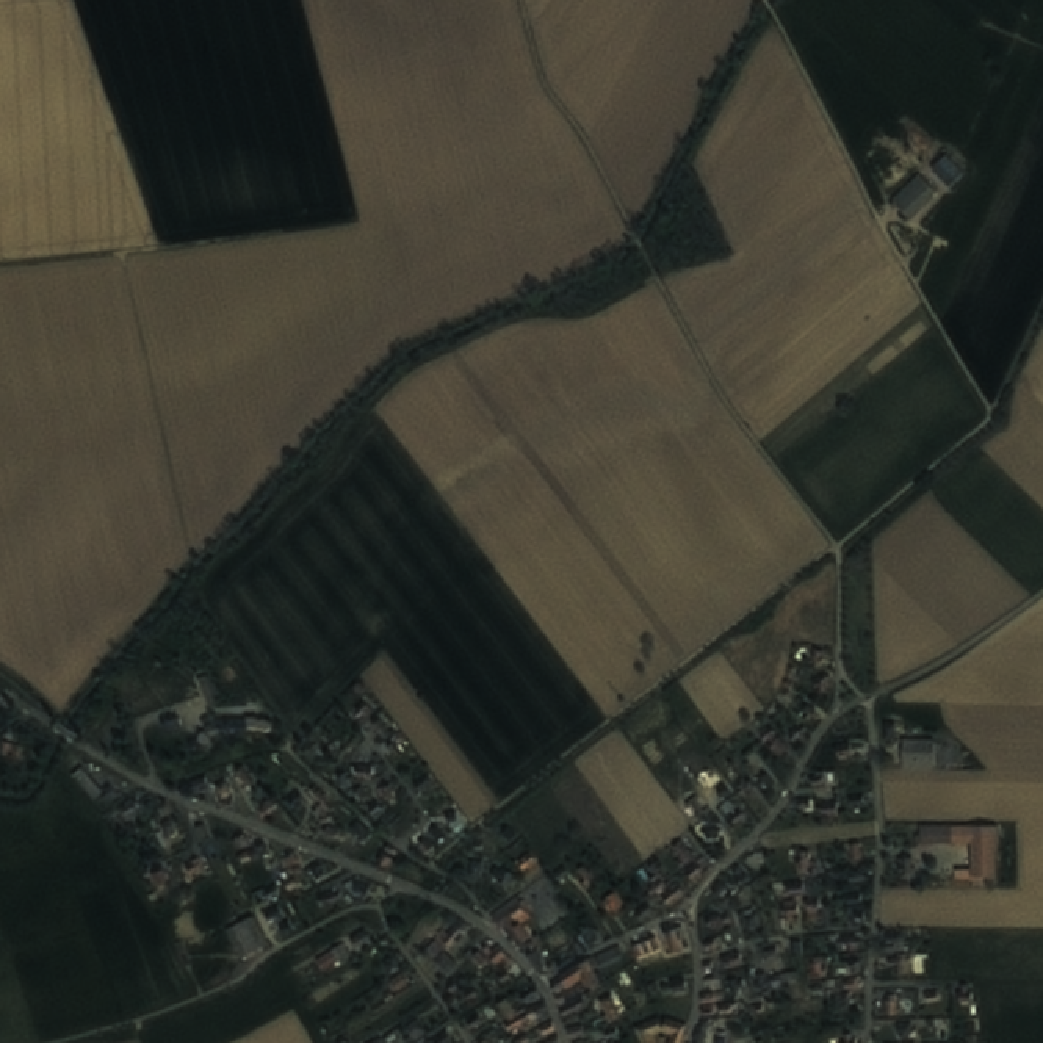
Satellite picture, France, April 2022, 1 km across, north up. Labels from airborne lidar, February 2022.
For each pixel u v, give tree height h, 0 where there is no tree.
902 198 0
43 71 0
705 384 0
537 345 0
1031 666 0
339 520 0
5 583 0
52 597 0
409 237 0
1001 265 0
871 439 0
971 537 0
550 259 0
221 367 0
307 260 0
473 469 0
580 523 0
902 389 0
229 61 0
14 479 0
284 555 0
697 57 0
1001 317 0
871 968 0
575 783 0
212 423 0
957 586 0
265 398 0
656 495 0
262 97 0
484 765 0
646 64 0
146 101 0
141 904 0
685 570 0
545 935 6
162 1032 0
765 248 0
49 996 0
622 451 0
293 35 0
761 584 0
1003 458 0
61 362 0
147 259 0
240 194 0
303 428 0
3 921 0
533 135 0
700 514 0
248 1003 0
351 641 0
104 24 0
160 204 0
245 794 0
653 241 17
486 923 0
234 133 0
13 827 0
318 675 0
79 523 0
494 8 0
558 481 0
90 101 0
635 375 0
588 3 0
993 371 0
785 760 11
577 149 0
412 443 0
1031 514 0
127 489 0
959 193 0
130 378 0
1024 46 0
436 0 0
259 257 0
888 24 0
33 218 0
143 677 0
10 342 0
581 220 0
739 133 0
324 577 0
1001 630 0
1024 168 0
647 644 13
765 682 0
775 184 0
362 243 0
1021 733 0
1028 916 0
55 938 0
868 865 8
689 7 0
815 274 0
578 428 0
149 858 11
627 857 0
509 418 0
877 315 0
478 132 0
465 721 0
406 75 0
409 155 0
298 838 0
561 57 0
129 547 0
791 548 0
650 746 0
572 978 0
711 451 0
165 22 0
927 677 0
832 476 0
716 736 9
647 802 0
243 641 0
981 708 0
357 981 0
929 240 0
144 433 0
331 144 0
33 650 0
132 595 0
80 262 0
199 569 14
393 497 0
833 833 0
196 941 0
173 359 0
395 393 0
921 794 0
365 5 0
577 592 0
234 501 0
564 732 0
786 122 0
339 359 0
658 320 0
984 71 0
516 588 0
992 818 0
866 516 0
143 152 0
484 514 0
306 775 0
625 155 0
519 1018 0
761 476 0
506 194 0
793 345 0
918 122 0
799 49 0
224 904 0
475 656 0
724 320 0
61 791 0
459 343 12
